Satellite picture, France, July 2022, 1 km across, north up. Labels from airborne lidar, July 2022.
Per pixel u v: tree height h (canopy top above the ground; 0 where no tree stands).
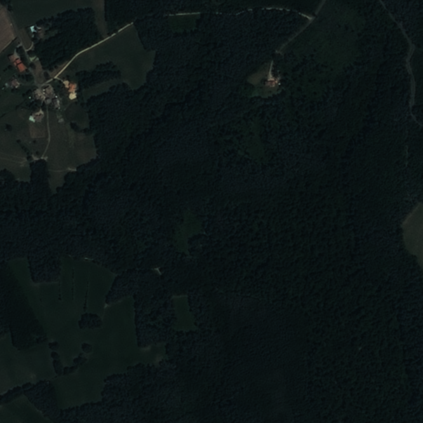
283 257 22
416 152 17
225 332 12
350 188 24
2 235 20
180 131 30
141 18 13
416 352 27
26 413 0
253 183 27
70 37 7
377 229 27
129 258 6
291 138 25
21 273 0
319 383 7
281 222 21
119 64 0
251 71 12
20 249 25
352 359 15
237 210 23
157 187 25
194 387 22
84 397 0
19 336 21
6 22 0
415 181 19
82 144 0
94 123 16
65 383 0
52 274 24
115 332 0
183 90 26
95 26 11
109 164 23
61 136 0
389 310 9
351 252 10
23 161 0
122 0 16
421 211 0
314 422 18
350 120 20
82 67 0
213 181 19
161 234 18
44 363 0
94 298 0
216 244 9
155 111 24
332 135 21
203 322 23
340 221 27
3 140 0
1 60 0
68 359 0
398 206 11
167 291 19
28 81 12
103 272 0
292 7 6
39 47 13
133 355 0
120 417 23
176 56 17
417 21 13
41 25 18
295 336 14
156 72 14
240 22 27
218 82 25
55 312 0
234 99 20
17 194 20
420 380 24
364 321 27
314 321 9
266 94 0
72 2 0
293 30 26
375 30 14
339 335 12
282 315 9
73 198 12
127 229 10
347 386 25
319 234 23
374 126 23
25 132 0
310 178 21
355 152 24
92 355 0
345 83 13
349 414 20
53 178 0
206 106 19
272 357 15
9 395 18
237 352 11
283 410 10
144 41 23
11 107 0
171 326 19
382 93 25
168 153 27
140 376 14
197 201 20
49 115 0
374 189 20
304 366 15
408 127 14
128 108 19
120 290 22
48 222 27
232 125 8
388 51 29
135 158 20
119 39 0
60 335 0
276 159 9
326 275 21
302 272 15
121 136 19
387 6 17
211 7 9
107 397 18
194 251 21
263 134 11
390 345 23
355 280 25
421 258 0
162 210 25
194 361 27
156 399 19
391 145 21
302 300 24
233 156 10
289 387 12
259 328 12
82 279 0
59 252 21
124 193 23
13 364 0
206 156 24
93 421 22
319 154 20
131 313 0
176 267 15
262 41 14
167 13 20
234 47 28
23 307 20
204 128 25
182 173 19
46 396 19
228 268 10
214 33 23
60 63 15
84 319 15
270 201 18
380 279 17
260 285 22
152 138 24
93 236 27
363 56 9
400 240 20
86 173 21
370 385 14
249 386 14
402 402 12
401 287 19
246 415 20
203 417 20
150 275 22
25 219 27
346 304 20
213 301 11
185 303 0
